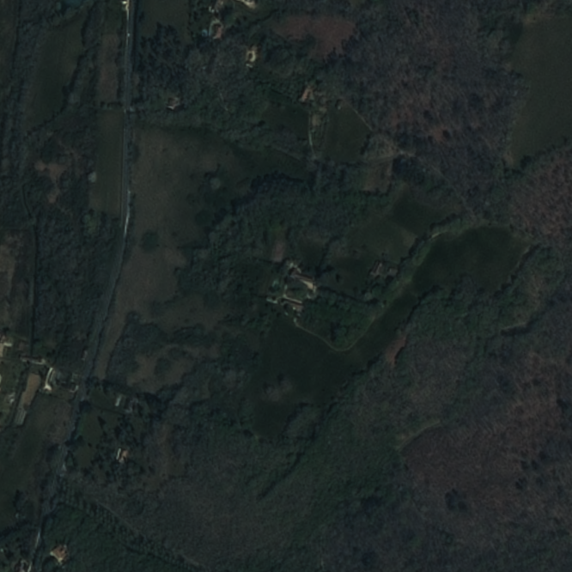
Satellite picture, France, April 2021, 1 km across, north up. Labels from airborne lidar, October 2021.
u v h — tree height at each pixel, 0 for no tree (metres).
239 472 21
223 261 13
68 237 19
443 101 20
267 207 24
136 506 9
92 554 22
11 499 0
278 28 0
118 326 0
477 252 6
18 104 16
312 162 18
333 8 18
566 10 9
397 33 9
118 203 0
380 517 26
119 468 21
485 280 0
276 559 21
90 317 6
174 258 0
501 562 23
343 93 20
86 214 18
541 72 0
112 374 8
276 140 22
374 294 14
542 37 0
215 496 18
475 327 27
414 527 19
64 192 9
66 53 0
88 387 10
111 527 24
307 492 20
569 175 11
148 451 15
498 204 23
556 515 20
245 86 24
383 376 26
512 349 20
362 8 0
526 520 17
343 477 24
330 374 0
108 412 0
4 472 0
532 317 24
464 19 16
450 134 12
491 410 16
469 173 19
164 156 0
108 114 0
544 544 21
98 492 15
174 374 0
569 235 20
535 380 18
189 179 0
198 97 19
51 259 17
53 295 21
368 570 26
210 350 0
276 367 0
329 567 22
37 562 16
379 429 21
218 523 17
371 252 0
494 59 11
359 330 18
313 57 0
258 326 9
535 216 12
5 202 7
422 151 27
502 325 27
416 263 19
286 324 0
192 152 0
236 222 17
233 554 12
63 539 15
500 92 24
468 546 21
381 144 12
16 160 19
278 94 8
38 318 12
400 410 21
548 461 18
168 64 19
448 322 24
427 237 10
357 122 0
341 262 0
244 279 8
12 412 11
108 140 0
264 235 12
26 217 6
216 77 19
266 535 18
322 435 18
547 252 17
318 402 0
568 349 17
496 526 15
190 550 12
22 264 7
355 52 25
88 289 7
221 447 22
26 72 17
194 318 0
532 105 0
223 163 0
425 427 27
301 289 20
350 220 14
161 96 20
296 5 20
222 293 11
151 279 0
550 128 0
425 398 24
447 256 0
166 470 11
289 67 20
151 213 0
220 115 23
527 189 18
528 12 23
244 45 21
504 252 0
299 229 13
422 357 18
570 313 16
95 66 15
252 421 6
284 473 7
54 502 13
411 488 18
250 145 18
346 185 22
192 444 15
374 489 23
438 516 17
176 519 13
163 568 24
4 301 0
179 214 0
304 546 19
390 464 22
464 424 18
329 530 19
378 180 0
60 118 8
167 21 0
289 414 0
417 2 7
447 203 13
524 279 21
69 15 26
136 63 14
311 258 0
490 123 20
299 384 0
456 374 23
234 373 13
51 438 0
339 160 0
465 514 25
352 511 28
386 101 9
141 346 9
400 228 0
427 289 0
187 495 14
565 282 21
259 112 23
